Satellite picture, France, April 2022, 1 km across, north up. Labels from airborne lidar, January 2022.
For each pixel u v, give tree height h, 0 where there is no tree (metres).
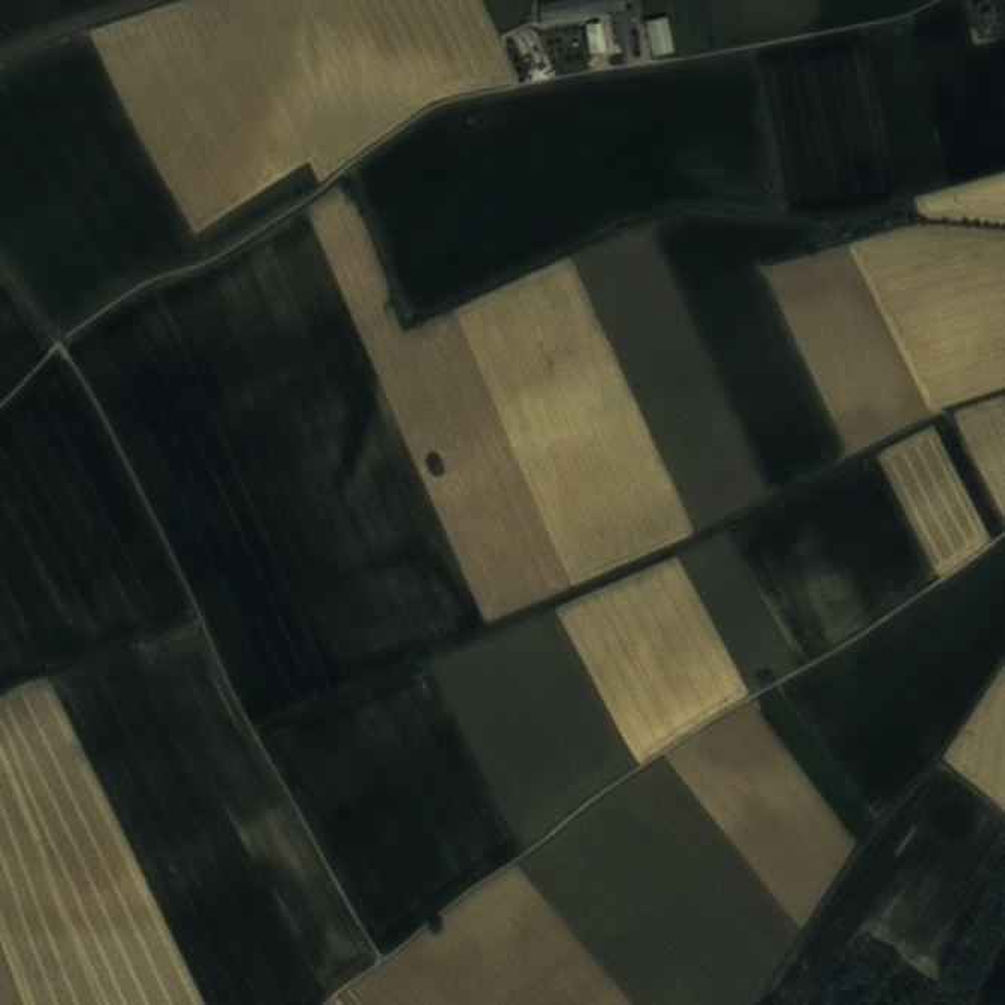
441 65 0
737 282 0
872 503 0
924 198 0
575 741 0
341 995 0
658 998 0
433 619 0
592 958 0
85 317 0
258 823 0
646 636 0
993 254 0
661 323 0
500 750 0
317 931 0
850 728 0
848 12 0
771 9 0
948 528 0
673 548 0
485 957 0
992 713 0
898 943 0
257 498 0
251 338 0
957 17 0
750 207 0
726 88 0
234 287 0
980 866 0
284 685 0
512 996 0
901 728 0
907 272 0
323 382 0
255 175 0
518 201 0
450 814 0
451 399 0
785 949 0
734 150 0
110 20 0
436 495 0
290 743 0
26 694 0
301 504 0
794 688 0
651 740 0
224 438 0
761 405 0
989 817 0
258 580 0
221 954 0
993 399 0
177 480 0
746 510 0
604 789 0
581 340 0
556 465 0
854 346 0
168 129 0
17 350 0
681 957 0
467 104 0
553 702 0
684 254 0
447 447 0
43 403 0
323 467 0
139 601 0
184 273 0
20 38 0
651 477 0
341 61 0
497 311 0
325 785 0
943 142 0
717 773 0
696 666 0
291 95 0
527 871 0
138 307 0
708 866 0
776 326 0
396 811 0
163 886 0
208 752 0
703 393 0
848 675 0
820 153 0
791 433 0
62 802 0
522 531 0
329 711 0
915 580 0
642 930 0
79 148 0
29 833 0
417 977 0
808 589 0
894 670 0
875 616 0
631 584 0
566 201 0
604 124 0
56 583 0
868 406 0
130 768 0
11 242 0
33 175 0
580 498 0
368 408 0
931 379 0
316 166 0
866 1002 29
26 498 0
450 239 0
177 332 0
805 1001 0
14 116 0
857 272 0
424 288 0
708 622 0
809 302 0
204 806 0
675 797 0
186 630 0
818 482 0
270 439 0
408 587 0
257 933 0
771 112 0
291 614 0
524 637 0
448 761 0
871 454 0
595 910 0
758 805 0
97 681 0
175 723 0
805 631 0
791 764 0
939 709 0
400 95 0
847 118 0
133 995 0
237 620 0
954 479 0
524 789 0
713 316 0
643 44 0
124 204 0
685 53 0
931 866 0
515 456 0
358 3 0
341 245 0
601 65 0
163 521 0
